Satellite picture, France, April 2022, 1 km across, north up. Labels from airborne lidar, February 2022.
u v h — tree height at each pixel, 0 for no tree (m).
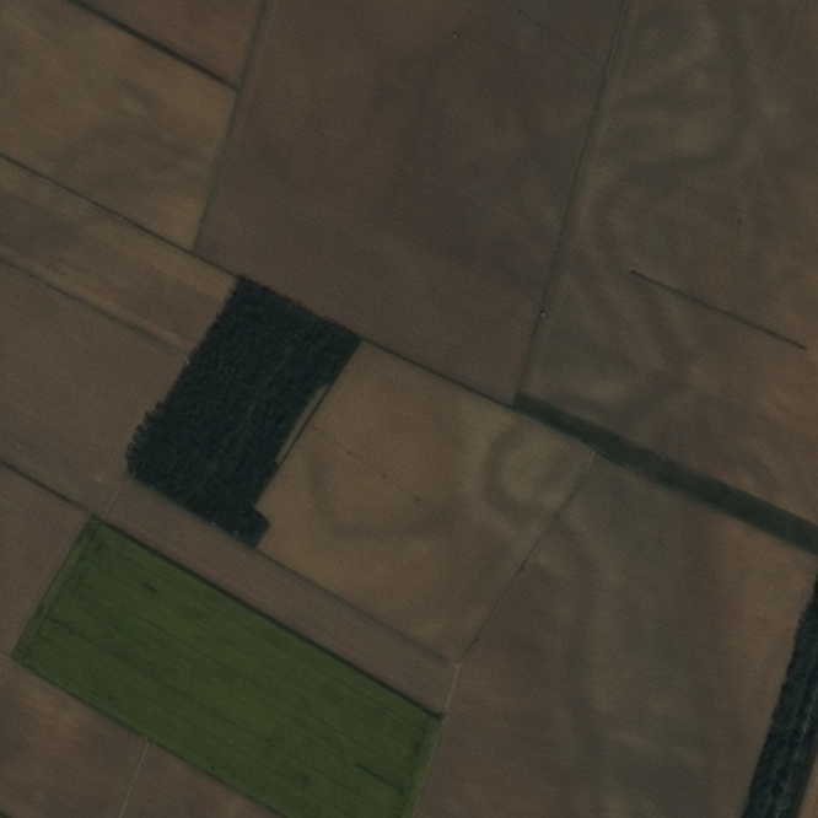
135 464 9
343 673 0
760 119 0
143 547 0
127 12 0
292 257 0
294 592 0
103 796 0
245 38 0
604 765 0
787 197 0
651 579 0
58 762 0
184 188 0
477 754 0
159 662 0
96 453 0
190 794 0
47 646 0
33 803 0
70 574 0
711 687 0
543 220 0
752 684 0
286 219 0
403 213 0
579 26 0
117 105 0
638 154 0
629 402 0
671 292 0
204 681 0
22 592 0
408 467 0
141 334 0
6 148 0
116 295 0
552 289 0
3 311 0
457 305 0
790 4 0
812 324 0
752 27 0
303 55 0
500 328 0
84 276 0
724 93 0
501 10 0
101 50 0
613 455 0
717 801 0
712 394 0
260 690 0
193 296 0
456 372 0
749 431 0
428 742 0
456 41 0
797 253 0
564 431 0
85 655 0
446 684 0
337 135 0
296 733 0
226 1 0
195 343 0
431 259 0
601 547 0
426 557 0
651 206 0
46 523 0
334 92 0
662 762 0
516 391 0
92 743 0
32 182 0
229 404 10
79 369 0
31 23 0
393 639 0
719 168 0
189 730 0
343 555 0
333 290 0
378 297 0
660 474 0
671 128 0
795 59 0
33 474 0
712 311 0
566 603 0
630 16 0
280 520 0
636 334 0
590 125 0
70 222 0
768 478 0
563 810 0
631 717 0
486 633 0
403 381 0
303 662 0
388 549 0
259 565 0
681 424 0
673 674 0
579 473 0
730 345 0
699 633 0
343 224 0
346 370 0
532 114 0
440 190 0
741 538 0
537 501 0
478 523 0
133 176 0
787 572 0
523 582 0
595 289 0
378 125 0
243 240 0
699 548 0
